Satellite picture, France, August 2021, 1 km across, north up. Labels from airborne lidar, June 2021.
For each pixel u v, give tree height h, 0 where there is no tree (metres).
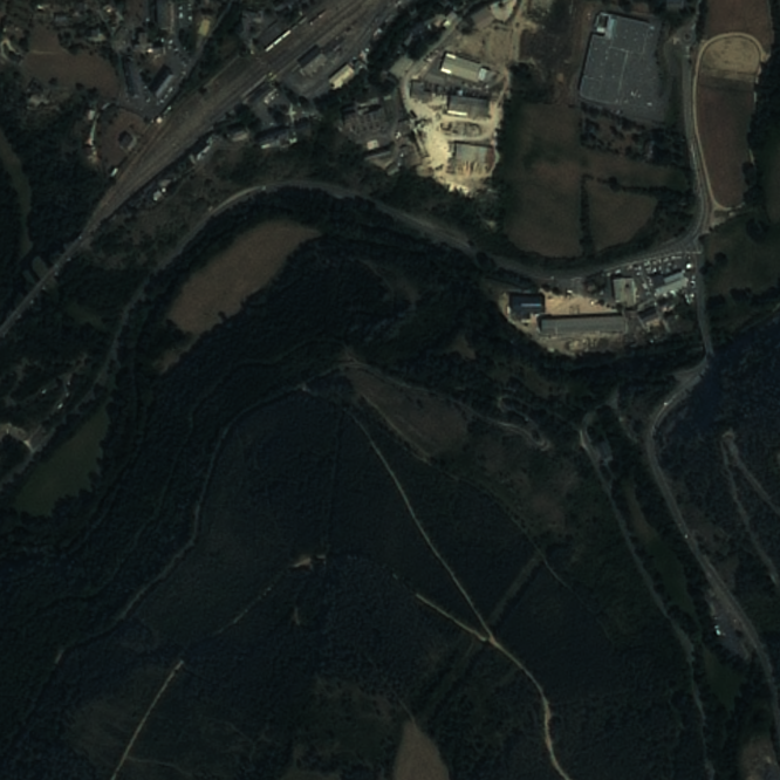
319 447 12
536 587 9
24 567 19
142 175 0
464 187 0
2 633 18
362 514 8
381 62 14
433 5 13
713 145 0
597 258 6
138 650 11
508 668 8
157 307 13
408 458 10
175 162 6
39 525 21
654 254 0
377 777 16
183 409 10
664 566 0
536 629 10
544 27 0
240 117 17
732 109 0
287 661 10
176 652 9
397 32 15
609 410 14
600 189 0
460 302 26
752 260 0
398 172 9
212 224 11
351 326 17
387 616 27
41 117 6
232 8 8
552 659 10
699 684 18
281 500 10
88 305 13
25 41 8
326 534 12
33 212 7
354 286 6
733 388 20
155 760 0
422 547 8
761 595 25
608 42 0
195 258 12
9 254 19
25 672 13
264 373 9
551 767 18
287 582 6
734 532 16
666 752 15
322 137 12
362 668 29
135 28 0
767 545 17
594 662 15
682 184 0
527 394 14
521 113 0
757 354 16
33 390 10
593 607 13
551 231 0
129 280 17
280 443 13
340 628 30
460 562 12
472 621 13
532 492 0
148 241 11
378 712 8
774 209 0
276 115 15
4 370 13
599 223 0
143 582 12
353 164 10
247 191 0
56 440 13
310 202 21
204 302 0
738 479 16
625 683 16
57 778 21
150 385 12
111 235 11
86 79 0
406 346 8
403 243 16
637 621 6
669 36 0
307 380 9
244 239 0
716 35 0
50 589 13
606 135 0
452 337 14
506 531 7
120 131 0
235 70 0
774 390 27
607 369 14
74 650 12
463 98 0
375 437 12
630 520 13
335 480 7
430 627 29
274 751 12
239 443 7
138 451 8
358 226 19
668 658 12
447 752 15
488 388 14
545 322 0
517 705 9
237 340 11
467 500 8
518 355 14
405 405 0
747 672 11
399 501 8
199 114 0
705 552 7
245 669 15
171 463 11
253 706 13
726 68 0
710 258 0
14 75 8
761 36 0
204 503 7
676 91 0
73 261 13
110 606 7
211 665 12
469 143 0
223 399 6
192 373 8
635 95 0
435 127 0
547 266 17
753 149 18
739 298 20
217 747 0
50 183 11
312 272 7
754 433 17
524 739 21
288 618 9
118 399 22
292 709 11
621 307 6
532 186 0
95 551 6
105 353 9
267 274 0
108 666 11
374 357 6
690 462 17
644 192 7
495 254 8
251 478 7
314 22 0
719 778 15
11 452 18
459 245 0
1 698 14
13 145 17
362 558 22
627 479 16
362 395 0
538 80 0
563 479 0
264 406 13
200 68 8
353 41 0
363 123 0
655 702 18
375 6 0
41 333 11
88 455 0
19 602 21
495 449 0
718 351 9
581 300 0
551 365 15
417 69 0
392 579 23
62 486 0
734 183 0
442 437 0
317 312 10
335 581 8
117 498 7
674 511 0
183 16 0
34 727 9
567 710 20
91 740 0
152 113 0
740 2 0
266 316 8
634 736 26
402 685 31
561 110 0
